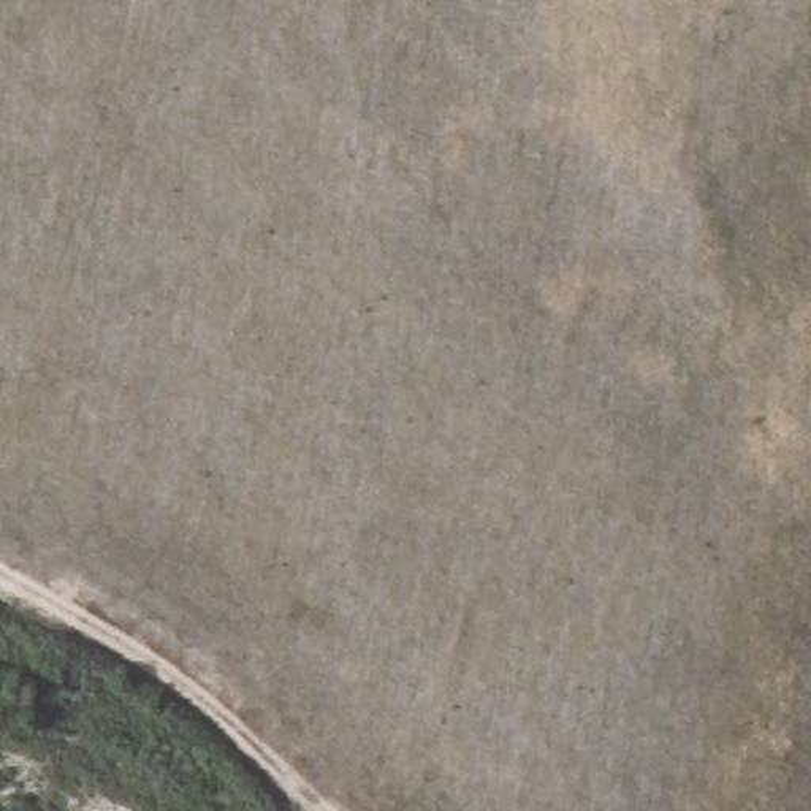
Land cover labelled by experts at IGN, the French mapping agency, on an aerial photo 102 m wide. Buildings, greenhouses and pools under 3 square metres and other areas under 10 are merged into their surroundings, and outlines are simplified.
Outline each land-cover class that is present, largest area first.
<instances>
[{"label":"agricultural land","instance_id":"1","mask_svg":"<svg viewBox=\"0 0 811 811\"><path fill-rule=\"evenodd\" d=\"M0 561L38 583L82 577L76 596L79 608L143 640L152 653L165 656L171 665L190 675L203 691L215 694L222 706L238 713L244 725H250L263 741H269L307 782L320 789L326 801H336L342 811H811V0H0Z\"/></svg>","mask_w":811,"mask_h":811},{"label":"brushwood","instance_id":"2","mask_svg":"<svg viewBox=\"0 0 811 811\"><path fill-rule=\"evenodd\" d=\"M13 751L25 754L38 760L51 779V789L41 795L25 792L0 801V811H67L70 795L86 801L111 798L133 811H301L257 760H250L200 706H193L171 684H165L149 665L133 662L60 621L38 615L35 608H25L16 599H0V757Z\"/></svg>","mask_w":811,"mask_h":811},{"label":"pervious surface","instance_id":"3","mask_svg":"<svg viewBox=\"0 0 811 811\"><path fill-rule=\"evenodd\" d=\"M82 577L38 583L0 561V599H16L25 608H35L38 615L60 621L133 662L149 665L165 684H171L193 706H200L250 760H257L301 811H342L336 801H326L320 789L307 782L269 741H263L250 725H244L238 713L222 706L215 694L203 691L190 675L171 665L165 656L152 653L143 640L79 608L76 596Z\"/></svg>","mask_w":811,"mask_h":811},{"label":"herbaceous vegetation","instance_id":"4","mask_svg":"<svg viewBox=\"0 0 811 811\"><path fill-rule=\"evenodd\" d=\"M51 789V779L38 760L25 754L13 751L0 757V801L25 792L41 795ZM67 811H133L111 798L86 801L70 795Z\"/></svg>","mask_w":811,"mask_h":811}]
</instances>
